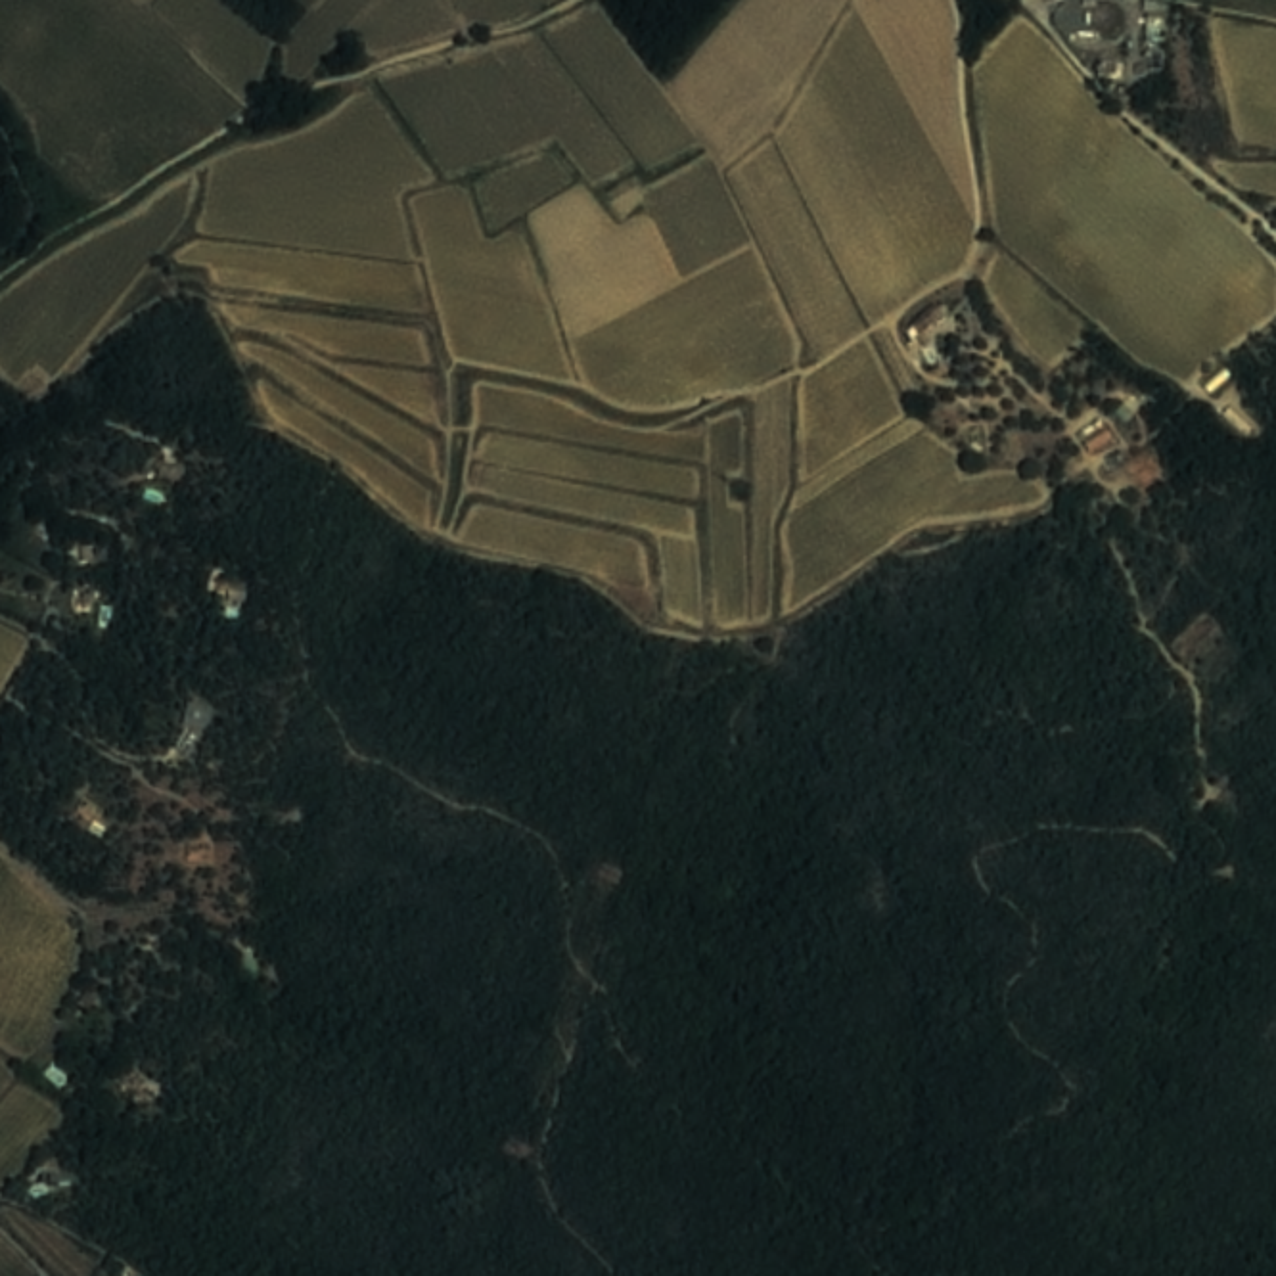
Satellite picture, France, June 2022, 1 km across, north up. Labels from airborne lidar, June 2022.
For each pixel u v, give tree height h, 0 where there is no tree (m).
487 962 7
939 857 7
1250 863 7
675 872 13
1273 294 0
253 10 22
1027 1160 11
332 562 7
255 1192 6
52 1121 0
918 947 9
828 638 9
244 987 13
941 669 6
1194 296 0
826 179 0
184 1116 9
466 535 0
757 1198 11
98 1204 8
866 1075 8
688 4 19
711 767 11
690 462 0
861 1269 10
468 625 8
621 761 11
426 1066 7
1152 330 0
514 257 0
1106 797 11
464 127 0
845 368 0
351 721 7
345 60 22
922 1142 10
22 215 13
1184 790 9
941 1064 9
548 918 6
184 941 10
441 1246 7
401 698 11
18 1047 0
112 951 8
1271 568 9
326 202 0
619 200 0
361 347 0
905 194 0
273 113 22
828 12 0
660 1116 7
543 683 9
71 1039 12
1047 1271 11
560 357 0
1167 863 10
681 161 0
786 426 0
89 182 0
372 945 11
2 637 0
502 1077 11
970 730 12
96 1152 11
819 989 7
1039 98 0
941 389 6
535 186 0
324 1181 6
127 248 0
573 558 0
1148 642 9
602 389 0
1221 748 10
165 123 0
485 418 0
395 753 7
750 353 0
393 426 0
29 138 9
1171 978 17
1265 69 0
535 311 0
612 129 0
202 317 7
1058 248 0
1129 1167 9
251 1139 9
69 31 0
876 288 0
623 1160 8
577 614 7
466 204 0
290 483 7
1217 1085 6
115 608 7
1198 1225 10
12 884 0
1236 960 18
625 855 9
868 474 0
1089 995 7
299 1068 7
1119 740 13
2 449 13
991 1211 9
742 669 11
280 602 7
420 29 0
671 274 0
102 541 13
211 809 8
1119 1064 13
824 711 12
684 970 14
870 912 8
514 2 0
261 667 8
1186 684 9
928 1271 5
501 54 0
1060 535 10
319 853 6
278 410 0
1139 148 0
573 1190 5
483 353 0
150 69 0
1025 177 0
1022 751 6
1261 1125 8
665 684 9
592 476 0
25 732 17
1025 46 0
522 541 0
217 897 7
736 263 0
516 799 8
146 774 7
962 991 8
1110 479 0
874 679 7
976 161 0
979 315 8
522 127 0
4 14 0
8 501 20
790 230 0
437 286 0
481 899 11
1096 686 8
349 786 7
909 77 0
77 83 0
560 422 0
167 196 0
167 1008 8
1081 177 0
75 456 6
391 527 6
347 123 0
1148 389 8
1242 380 9
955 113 0
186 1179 9
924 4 0
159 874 7
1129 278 0
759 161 0
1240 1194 8
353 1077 9
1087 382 8
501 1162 6
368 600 5
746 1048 11
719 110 0
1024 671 8
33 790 11
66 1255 0
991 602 13
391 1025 12
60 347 0
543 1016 7
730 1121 12
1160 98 10
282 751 10
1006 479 0
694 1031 13
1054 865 7
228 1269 6
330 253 0
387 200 0
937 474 0
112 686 12
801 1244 7
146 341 6
